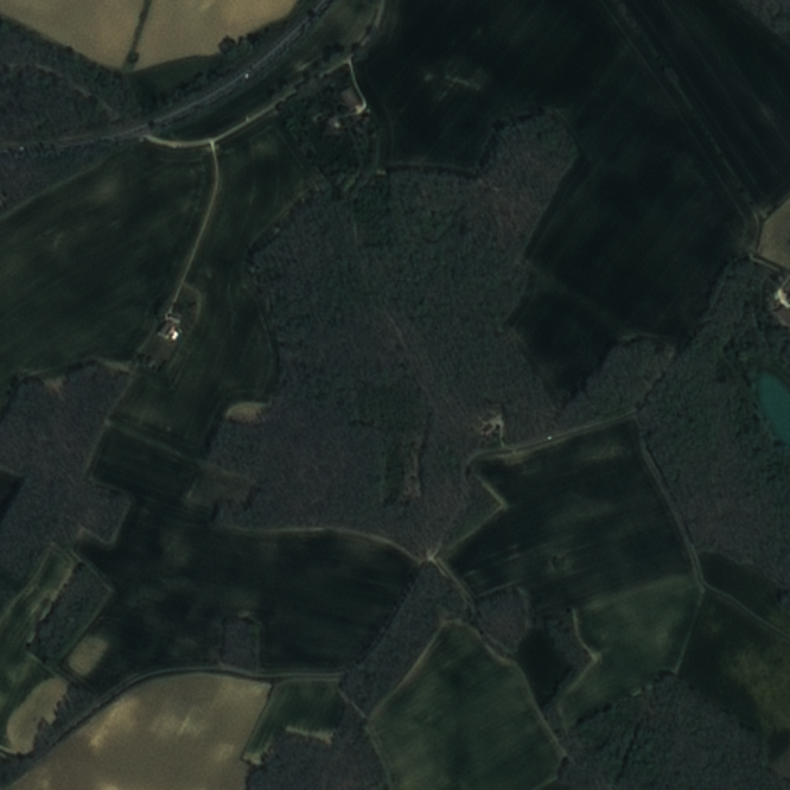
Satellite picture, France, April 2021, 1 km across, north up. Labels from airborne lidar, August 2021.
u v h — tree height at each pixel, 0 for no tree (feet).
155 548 0
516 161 65
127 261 0
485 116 0
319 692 0
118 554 0
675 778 63
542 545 0
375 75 0
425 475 45
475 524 59
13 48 61
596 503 0
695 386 58
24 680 0
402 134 0
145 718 0
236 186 0
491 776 0
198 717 0
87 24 0
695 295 0
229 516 53
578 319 0
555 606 0
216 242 0
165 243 0
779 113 0
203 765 0
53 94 66
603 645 0
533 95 0
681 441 76
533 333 0
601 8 0
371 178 31
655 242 0
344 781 43
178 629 0
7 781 68
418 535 51
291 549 0
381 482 50
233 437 62
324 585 0
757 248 0
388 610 0
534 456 0
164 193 0
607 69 0
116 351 0
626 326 0
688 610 0
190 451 0
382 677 41
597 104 0
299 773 43
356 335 62
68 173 51
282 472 46
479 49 0
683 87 0
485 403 51
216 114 0
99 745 0
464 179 52
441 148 0
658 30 0
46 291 0
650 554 0
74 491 56
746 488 49
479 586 0
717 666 0
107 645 0
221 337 0
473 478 60
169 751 0
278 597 0
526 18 0
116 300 0
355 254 66
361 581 0
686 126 0
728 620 0
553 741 0
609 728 53
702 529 54
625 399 73
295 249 55
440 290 78
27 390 75
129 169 0
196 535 0
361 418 40
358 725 36
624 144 0
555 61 0
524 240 39
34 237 0
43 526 53
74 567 0
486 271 87
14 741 0
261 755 0
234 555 0
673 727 33
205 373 0
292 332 64
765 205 0
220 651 0
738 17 0
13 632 0
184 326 0
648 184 0
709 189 0
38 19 0
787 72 0
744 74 0
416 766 0
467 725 0
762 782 68
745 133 0
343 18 0
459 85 0
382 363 66
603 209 0
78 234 0
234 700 0
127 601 0
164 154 0
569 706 0
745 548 60
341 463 54
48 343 0
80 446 40
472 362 75
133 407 0
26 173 55
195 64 0
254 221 0
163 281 0
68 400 62
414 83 0
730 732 66
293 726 0
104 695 0
